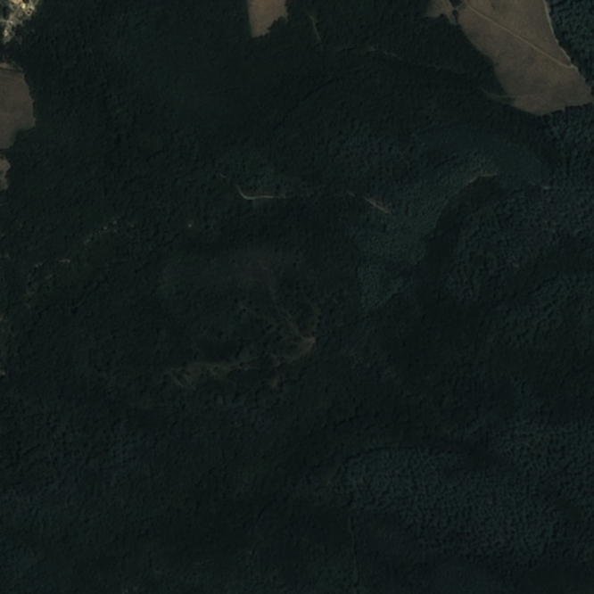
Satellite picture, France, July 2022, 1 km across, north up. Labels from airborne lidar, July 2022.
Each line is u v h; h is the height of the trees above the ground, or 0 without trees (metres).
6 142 0
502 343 17
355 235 10
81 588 10
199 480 16
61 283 7
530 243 25
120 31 9
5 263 18
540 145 17
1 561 11
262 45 13
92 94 24
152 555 18
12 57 15
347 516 9
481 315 25
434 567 10
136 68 11
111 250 7
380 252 15
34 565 10
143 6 11
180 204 22
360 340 20
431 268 28
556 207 20
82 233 14
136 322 16
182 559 10
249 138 18
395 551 7
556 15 21
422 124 9
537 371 21
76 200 11
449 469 21
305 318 8
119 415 15
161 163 19
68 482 18
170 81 14
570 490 21
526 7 0
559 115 18
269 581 6
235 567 7
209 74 10
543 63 0
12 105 0
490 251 28
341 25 15
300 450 18
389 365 26
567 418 20
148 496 17
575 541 21
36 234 15
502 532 17
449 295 23
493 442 25
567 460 24
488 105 15
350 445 16
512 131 15
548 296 22
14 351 14
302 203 21
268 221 10
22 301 8
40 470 10
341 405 27
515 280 17
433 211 15
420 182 17
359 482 23
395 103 15
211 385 7
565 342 12
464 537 18
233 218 15
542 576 13
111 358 15
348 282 7
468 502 17
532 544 21
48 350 13
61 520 16
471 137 13
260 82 13
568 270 18
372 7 15
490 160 13
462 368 14
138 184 21
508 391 19
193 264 6
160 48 13
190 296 15
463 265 19
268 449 16
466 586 10
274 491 10
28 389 20
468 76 21
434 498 24
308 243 10
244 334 9
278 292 7
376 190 10
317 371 10
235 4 5
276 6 0
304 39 13
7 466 15
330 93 16
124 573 8
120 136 22
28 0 8
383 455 25
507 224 23
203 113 11
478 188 15
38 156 18
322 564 7
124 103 16
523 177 17
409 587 11
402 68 18
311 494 7
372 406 23
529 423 18
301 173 15
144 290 18
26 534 21
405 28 10
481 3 0
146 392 15
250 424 10
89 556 17
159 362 13
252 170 6
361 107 17
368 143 10
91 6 9
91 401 19
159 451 14
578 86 0
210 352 10
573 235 21
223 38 15
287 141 16
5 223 14
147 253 18
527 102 0
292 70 13
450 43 12
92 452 7
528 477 16
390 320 23
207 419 7
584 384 18
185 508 7
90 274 6
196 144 26
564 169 16
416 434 25
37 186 12
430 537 11
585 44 19
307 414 16
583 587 9
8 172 8
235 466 17
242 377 11
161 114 10
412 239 17
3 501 11
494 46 0
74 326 16
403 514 23
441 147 14
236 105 13
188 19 9
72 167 18
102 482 18
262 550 8
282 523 11
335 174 8
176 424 15
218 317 16
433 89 18
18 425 18
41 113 11
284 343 9
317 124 13
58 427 16
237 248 7
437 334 27
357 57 17
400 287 14
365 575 10
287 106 13
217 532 17
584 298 18
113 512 14
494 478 23
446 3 0
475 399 17
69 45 13
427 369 24
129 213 14
